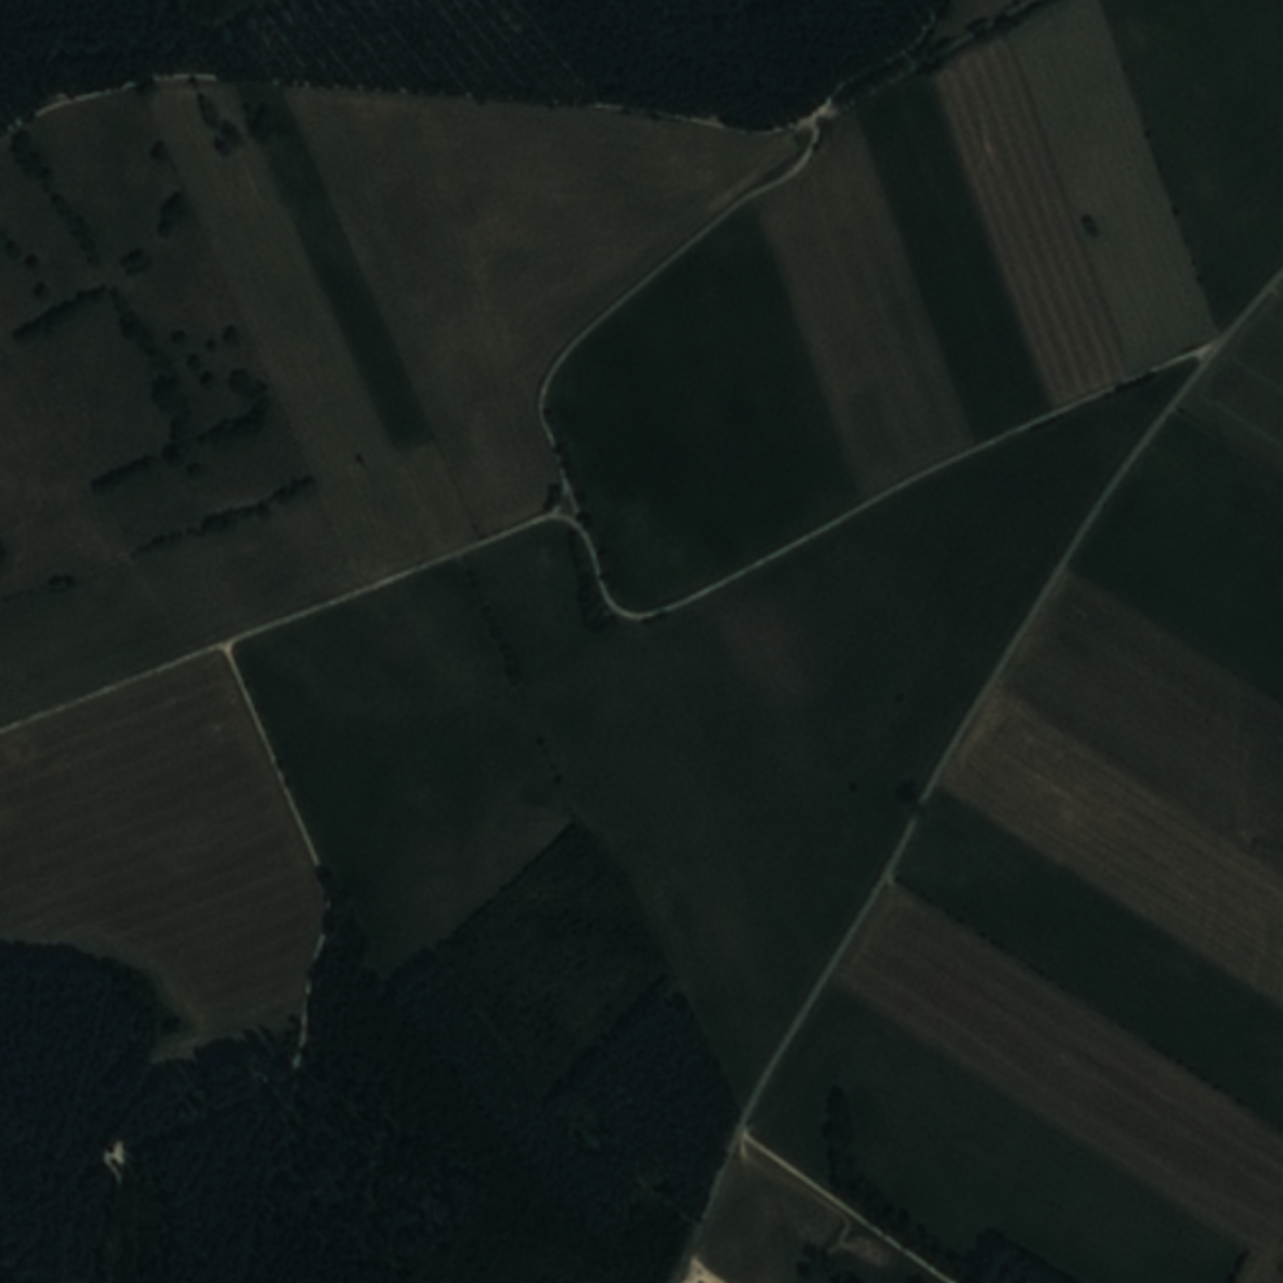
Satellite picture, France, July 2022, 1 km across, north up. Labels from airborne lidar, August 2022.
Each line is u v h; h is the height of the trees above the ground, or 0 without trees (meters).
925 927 0
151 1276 11
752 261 0
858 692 0
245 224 0
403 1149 12
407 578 0
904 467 0
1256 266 0
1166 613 0
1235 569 0
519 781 0
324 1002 11
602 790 0
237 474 0
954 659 0
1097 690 0
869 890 0
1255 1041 0
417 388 0
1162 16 0
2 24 24
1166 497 0
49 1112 31
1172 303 0
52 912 0
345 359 0
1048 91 0
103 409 0
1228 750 0
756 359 0
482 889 0
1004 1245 24
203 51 26
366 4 22
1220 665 0
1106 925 0
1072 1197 0
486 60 23
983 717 0
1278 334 0
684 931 0
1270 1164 0
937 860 0
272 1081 27
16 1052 33
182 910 0
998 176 0
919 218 0
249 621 0
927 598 0
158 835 0
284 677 0
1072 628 0
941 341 0
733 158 0
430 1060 10
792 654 0
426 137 0
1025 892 0
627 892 0
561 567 0
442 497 0
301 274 0
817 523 0
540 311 0
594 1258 9
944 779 0
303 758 0
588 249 0
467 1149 13
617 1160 21
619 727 0
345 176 0
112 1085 23
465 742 0
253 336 0
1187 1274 0
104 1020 26
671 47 20
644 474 0
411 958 0
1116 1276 0
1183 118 0
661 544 0
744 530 0
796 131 0
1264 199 0
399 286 0
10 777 0
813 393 0
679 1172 19
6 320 0
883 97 0
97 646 0
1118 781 0
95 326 0
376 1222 9
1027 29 0
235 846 0
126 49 12
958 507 0
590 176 0
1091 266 0
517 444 0
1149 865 0
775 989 0
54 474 0
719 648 0
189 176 0
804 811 0
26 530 0
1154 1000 0
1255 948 0
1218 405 0
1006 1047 0
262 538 0
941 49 7
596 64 24
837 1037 0
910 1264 0
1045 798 0
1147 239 0
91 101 0
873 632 0
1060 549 0
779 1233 0
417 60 24
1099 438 0
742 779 0
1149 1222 0
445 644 0
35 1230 27
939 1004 0
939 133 0
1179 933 0
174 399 18
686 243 0
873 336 0
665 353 0
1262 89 0
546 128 0
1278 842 0
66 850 0
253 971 0
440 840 0
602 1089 20
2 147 0
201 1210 30
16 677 0
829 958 0
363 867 0
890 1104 0
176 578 0
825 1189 0
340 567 0
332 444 0
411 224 0
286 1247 14
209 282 0
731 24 24
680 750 0
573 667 0
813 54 20
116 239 0
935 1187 0
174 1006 0
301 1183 6
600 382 0
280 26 24
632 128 0
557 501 8
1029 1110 0
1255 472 0
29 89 26
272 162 0
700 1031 17
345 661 0
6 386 0
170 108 0
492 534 0
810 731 0
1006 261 0
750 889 0
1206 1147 0
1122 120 0
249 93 0
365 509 0
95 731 0
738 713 0
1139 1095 0
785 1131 0
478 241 0
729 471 0
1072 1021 0
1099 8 0
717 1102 21
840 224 0
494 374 0
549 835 0
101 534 0
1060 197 0
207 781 0
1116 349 0
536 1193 13
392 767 0
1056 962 0
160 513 0
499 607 0
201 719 0
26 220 0
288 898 0
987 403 0
